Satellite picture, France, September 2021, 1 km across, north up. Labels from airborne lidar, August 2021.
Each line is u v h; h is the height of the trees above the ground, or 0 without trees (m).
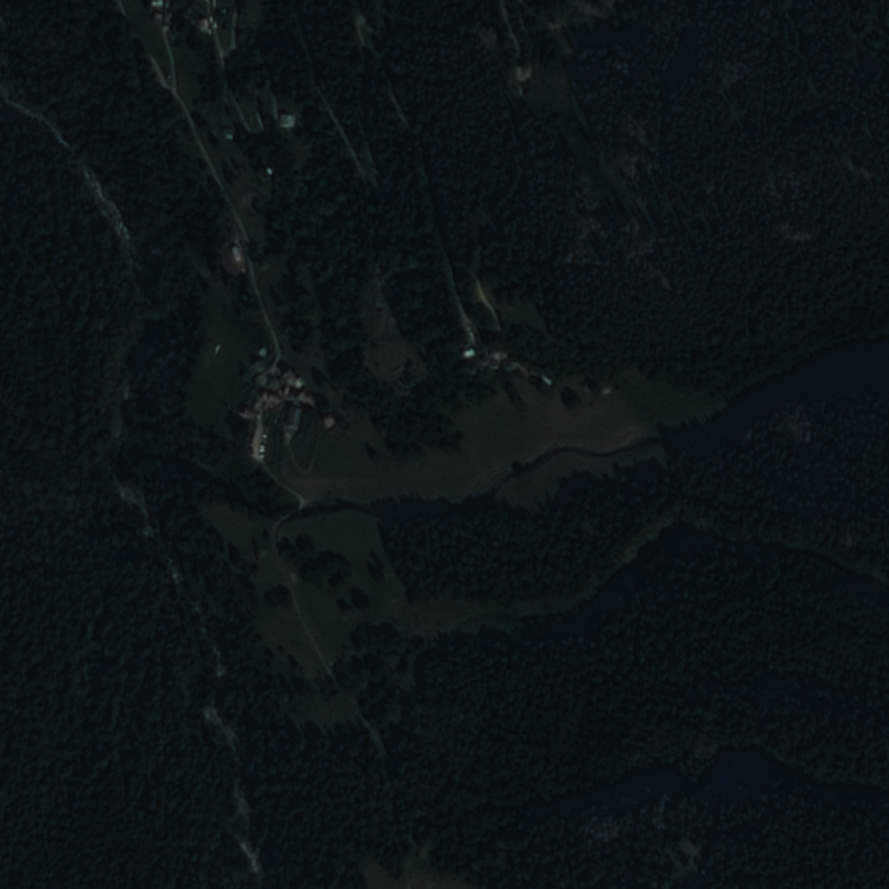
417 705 24
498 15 10
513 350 8
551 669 25
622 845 24
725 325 31
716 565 8
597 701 20
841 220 18
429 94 29
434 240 13
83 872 23
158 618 10
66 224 15
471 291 9
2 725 12
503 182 29
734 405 0
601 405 0
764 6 30
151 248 26
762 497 18
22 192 25
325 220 14
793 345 12
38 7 29
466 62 30
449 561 12
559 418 0
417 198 31
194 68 0
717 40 37
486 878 10
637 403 0
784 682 18
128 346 27
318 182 14
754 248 29
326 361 5
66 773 13
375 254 18
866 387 12
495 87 36
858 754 21
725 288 21
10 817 11
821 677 14
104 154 31
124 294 24
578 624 5
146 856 24
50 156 22
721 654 18
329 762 17
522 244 32
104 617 22
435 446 8
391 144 17
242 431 20
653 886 21
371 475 0
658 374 21
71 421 5
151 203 39
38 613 37
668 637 21
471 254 27
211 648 7
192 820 33
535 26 8
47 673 35
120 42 26
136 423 15
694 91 32
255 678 15
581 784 12
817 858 14
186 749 30
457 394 20
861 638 12
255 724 12
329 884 31
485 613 0
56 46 35
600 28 0
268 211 10
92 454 24
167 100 15
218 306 0
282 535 0
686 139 20
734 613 17
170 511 25
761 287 12
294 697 30
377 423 17
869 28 13
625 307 21
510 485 0
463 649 18
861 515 27
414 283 20
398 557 25
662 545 7
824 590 10
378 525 0
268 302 0
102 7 17
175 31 9
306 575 19
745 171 26
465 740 28
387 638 18
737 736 9
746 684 23
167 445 17
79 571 23
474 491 0
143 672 29
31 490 27
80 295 30
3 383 15
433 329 22
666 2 29
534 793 6
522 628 0
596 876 31
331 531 0
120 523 8
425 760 22
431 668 23
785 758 14
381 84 23
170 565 8
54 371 15
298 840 17
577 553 19
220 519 0
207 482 12
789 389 7
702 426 0
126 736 8
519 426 0
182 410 21
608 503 17
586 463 0
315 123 23
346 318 20
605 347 15
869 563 7
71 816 26
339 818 19
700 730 9
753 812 27
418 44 22
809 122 19
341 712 0
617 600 27
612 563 13
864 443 36
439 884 0
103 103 28
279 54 22
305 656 0
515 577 16
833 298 18
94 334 26
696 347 6
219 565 25
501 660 22
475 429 0
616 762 11
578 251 29
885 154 20
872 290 10
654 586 16
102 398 25
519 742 16
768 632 15
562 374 9
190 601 9
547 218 29
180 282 31
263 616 0
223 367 0
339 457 0
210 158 0
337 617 0
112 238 21
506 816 9
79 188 22
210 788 24
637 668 18
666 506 13
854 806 10
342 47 19
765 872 21
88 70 24
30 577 30
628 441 0
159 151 21
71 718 14
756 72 31
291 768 28
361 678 21
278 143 14
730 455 31
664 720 15
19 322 15
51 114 13
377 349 6
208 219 20
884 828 14
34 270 14
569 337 15
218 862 25
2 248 7
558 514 16
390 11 14
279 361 0
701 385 16
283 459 0
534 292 19
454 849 10
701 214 27
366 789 19
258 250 13
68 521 25
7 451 26
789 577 13
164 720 31
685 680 22
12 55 10
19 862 27
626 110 26
